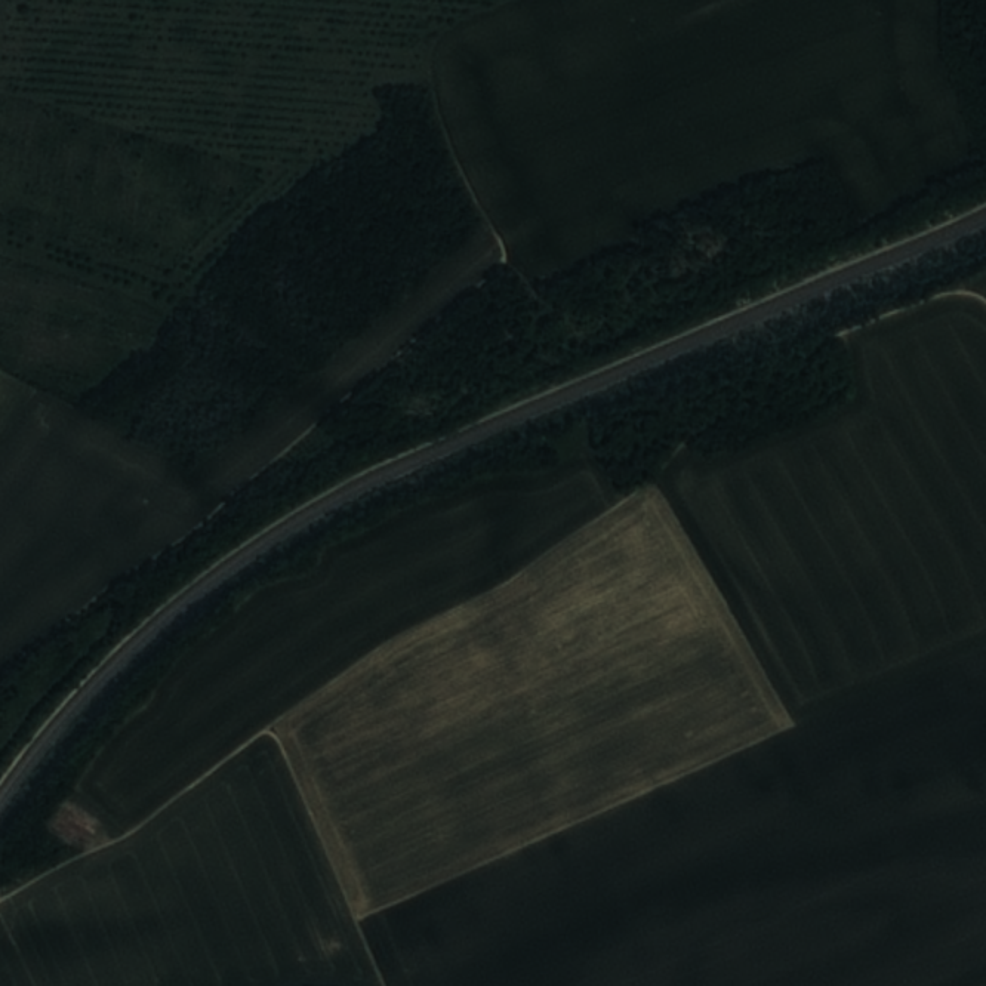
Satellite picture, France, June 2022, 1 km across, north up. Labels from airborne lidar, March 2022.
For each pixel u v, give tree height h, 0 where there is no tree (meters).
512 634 0
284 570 7
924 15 0
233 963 0
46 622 0
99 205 0
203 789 0
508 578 0
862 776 0
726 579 0
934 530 0
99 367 0
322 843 0
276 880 0
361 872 0
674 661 0
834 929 0
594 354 15
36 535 0
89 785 0
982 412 0
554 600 0
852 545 0
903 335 0
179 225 0
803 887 0
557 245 0
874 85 0
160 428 14
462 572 0
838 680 0
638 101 0
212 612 14
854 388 9
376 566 0
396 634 0
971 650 0
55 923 0
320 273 19
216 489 0
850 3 0
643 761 0
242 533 12
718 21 0
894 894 0
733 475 0
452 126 0
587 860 0
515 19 0
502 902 0
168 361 19
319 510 0
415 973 0
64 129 0
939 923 0
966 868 0
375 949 0
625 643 0
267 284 16
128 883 0
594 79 0
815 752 0
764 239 7
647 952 0
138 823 0
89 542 0
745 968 0
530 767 0
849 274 0
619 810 0
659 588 0
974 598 0
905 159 0
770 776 0
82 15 0
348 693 0
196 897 0
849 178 0
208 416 16
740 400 19
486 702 0
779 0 0
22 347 0
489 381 12
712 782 0
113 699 14
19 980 0
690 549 0
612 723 0
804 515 0
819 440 0
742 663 0
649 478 16
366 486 0
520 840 0
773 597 0
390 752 0
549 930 0
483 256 0
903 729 0
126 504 0
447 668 0
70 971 0
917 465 0
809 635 0
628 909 0
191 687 0
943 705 0
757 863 0
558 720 0
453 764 0
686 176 0
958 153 0
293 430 0
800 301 0
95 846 0
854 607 0
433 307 0
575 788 0
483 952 0
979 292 0
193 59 0
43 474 0
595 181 0
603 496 0
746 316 0
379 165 18
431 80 0
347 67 0
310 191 13
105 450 0
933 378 0
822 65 0
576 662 0
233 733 0
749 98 0
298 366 11
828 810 0
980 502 0
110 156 0
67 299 0
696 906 0
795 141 0
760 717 0
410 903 0
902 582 0
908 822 0
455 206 11
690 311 17
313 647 0
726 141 0
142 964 0
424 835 0
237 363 19
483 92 0
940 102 0
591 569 0
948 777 0
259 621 0
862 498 0
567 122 0
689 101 0
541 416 0
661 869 0
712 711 0
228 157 0
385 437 10
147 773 0
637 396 12
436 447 0
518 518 0
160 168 0
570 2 0
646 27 0
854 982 0
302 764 0
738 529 0
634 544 0
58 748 0
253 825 0
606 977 0
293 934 0
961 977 0
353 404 13
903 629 0
